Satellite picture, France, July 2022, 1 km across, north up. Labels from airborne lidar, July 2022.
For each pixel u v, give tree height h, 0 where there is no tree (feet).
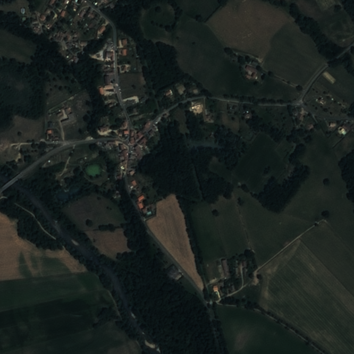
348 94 0
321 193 0
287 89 0
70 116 0
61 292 0
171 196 0
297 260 0
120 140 0
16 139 0
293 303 0
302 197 0
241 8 0
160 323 60
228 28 0
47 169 24
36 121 0
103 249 0
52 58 60
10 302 0
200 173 46
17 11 0
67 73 67
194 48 0
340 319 0
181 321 71
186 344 31
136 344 0
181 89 0
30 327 0
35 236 45
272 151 0
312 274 0
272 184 76
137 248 55
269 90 0
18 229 38
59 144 0
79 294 0
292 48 0
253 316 0
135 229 96
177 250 0
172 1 59
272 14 0
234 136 64
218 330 49
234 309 0
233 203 0
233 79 0
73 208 0
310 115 39
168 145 66
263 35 0
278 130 65
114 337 0
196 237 42
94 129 24
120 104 41
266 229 0
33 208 18
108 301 0
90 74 79
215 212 47
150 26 0
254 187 0
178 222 0
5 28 60
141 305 69
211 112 25
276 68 0
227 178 0
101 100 39
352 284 0
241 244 0
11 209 51
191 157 68
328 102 0
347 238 0
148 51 56
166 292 69
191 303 77
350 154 33
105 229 46
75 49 26
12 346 0
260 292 0
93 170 0
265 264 0
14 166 48
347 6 57
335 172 0
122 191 54
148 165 94
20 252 0
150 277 82
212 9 0
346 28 0
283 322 48
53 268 0
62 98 0
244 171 0
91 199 0
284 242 0
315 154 0
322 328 0
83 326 0
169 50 38
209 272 0
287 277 0
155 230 0
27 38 39
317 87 0
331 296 0
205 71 0
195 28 0
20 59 0
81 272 0
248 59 57
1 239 0
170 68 24
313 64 0
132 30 62
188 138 42
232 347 0
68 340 0
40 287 0
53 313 0
